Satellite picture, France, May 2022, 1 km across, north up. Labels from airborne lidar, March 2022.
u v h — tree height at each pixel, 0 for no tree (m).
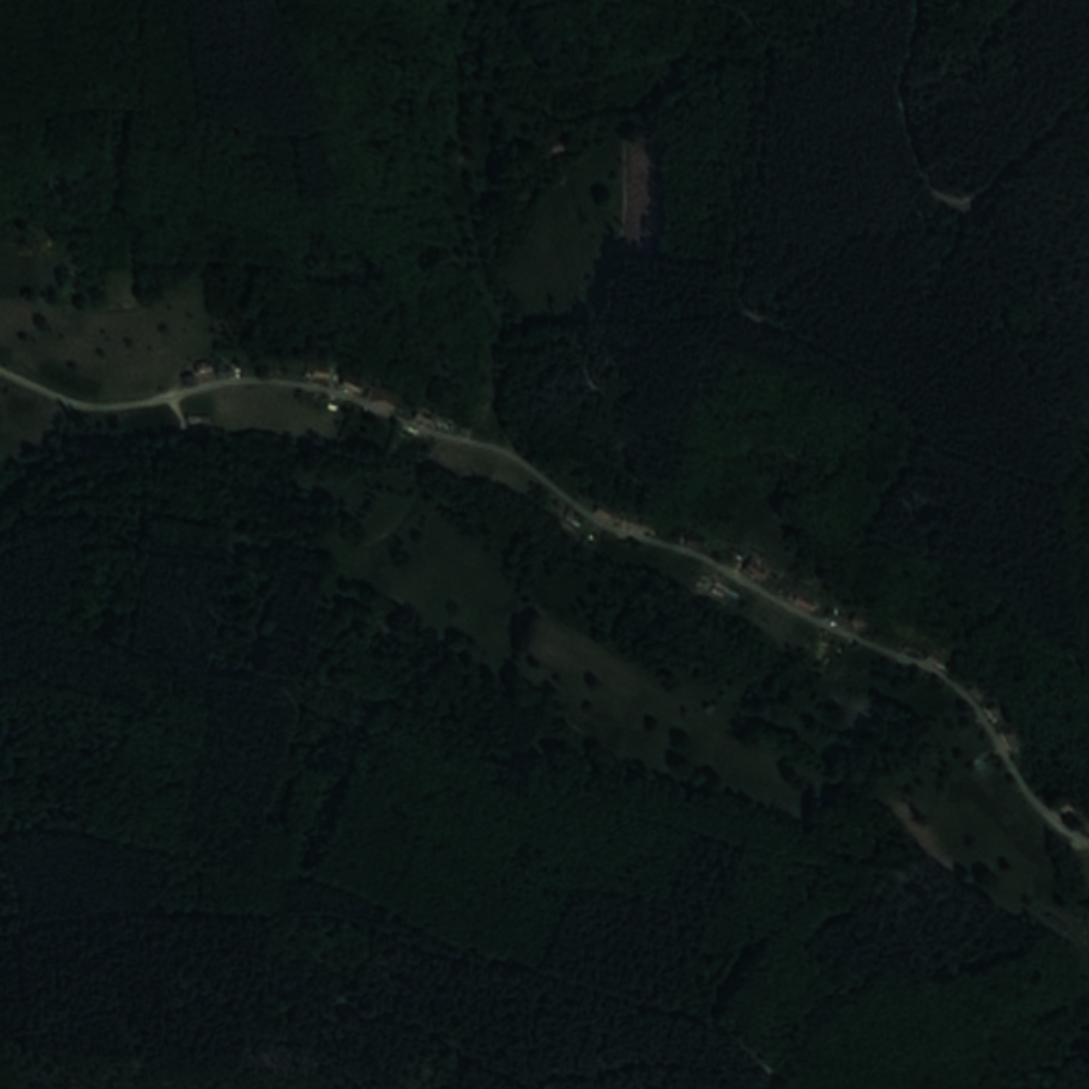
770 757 0
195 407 0
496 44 22
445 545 0
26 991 28
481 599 0
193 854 25
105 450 29
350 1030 25
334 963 24
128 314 0
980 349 27
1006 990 25
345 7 20
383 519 0
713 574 0
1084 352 33
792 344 31
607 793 26
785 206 26
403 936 31
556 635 0
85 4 19
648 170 0
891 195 21
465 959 19
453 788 29
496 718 15
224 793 24
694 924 27
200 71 28
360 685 24
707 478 22
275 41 32
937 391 32
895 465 13
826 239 22
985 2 16
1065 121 33
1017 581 28
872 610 15
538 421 13
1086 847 0
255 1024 27
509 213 14
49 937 34
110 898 24
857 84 21
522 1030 28
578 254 0
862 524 10
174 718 26
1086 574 22
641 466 19
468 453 0
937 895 25
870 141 24
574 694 0
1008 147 26
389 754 25
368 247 23
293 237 20
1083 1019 25
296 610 19
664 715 0
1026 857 0
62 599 17
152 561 26
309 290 17
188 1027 26
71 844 23
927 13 19
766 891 22
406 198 24
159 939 35
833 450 21
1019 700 18
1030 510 29
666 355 26
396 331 10
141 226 20
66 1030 30
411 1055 21
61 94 23
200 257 20
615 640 7
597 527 0
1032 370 29
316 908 23
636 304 30
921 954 30
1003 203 34
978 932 18
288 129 24
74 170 23
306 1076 16
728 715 0
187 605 27
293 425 0
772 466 23
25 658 23
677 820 19
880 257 29
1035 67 31
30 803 30
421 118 27
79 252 16
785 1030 18
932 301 28
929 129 24
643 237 0
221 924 34
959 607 17
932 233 22
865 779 23
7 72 25
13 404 0
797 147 27
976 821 0
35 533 19
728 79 23
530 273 0
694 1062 25
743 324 27
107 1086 16
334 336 24
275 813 7
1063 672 16
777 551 0
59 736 25
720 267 23
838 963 30
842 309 31
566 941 29
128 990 32
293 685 24
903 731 18
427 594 0
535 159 18
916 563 20
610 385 10
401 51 25
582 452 15
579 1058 24
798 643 0
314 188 28
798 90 27
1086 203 32
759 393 23
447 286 15
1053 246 31
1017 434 29
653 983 32
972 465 33
